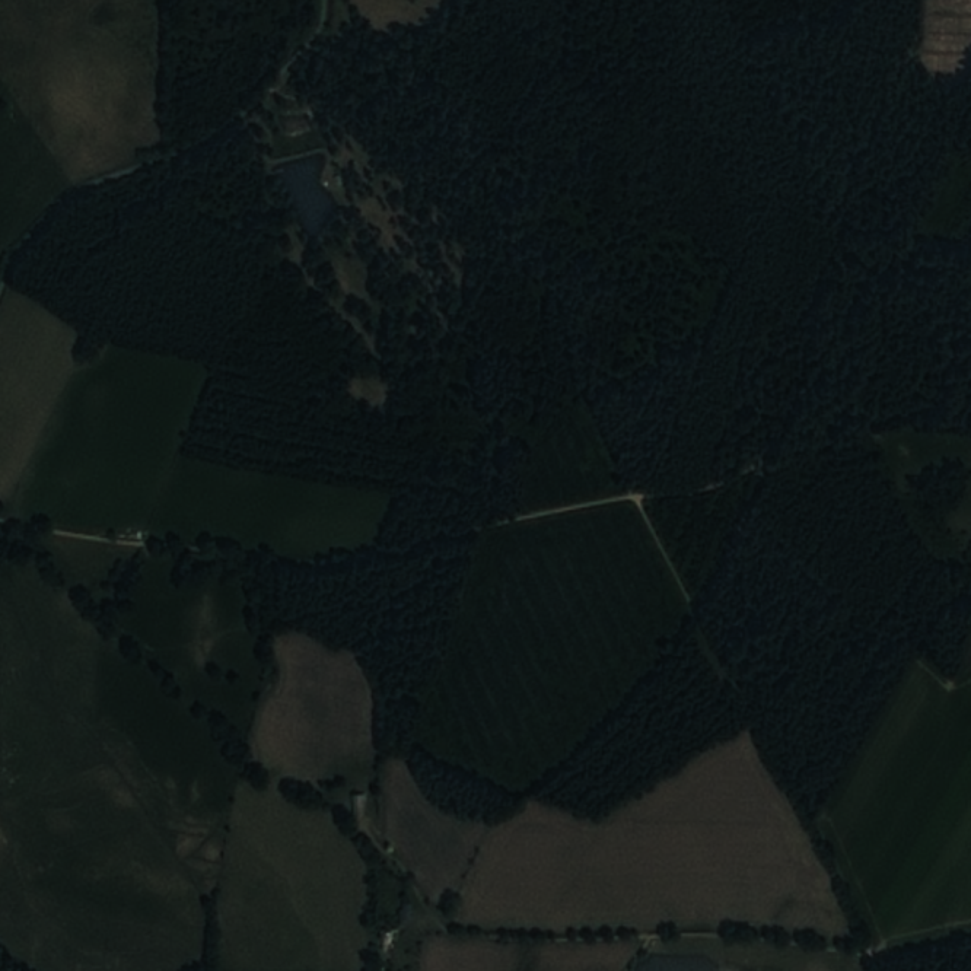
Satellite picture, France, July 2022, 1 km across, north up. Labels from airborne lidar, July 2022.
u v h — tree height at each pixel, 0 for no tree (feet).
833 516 66
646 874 0
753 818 0
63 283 71
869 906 0
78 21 0
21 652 0
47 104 0
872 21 108
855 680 83
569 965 0
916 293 111
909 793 0
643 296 36
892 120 100
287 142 0
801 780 99
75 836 0
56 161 0
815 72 106
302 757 0
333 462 41
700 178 64
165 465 0
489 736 0
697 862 0
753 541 89
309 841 0
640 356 24
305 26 74
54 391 0
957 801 0
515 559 0
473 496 90
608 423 80
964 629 106
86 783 0
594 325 34
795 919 0
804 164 93
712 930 0
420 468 35
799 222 59
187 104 49
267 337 26
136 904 0
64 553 0
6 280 32
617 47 44
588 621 0
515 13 48
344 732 0
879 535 48
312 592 96
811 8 35
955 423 133
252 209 33
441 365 88
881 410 52
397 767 0
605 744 66
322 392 67
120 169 0
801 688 84
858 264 130
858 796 0
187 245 68
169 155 48
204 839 0
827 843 40
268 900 0
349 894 0
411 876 39
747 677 46
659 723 70
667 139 61
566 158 61
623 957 0
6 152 0
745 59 86
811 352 100
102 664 0
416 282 75
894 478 20
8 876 0
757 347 60
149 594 0
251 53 31
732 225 63
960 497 81
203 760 0
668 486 64
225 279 68
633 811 0
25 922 0
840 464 68
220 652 0
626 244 43
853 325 143
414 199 70
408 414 77
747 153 84
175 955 0
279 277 74
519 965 0
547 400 54
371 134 68
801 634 83
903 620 57
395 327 76
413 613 91
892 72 90
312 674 0
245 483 0
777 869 0
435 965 0
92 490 0
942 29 0
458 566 114
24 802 0
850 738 124
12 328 0
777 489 61
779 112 123
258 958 0
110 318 68
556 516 0
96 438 0
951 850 0
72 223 69
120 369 0
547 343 41
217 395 31
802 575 92
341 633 100
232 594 0
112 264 73
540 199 122
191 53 26
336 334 80
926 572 87
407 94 87
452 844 0
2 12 0
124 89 0
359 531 0
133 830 0
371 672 75
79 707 0
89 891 0
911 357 79
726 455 72
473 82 56
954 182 0
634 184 79
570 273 96
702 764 0
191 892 0
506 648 0
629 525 0
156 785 0
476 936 41
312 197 0
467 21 46
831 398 143
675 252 36
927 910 0
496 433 51
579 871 0
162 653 0
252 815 0
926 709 0
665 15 82
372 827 0
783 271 63
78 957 0
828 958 0
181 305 68
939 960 82
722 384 67
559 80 96
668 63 72
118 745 0
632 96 78
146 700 0
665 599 0
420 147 33
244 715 0
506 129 54
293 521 0
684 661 62
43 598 0
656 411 83
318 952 0
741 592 90
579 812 45
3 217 0
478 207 42
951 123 106
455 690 0
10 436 0
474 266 76
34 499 0
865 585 64
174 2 72
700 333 28
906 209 103
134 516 0
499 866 0
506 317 52
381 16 0
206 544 61
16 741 0
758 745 63
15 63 0
